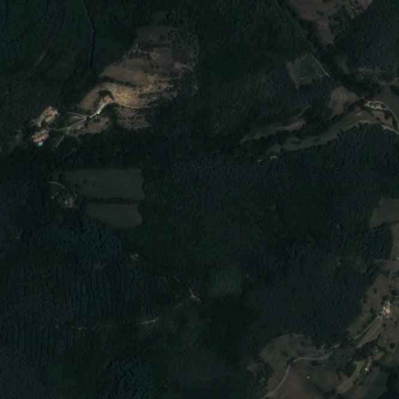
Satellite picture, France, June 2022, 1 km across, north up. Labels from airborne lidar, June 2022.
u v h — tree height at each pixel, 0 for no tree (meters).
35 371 12
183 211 15
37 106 17
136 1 22
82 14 25
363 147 11
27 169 15
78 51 20
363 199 14
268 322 21
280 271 16
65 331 13
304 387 0
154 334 9
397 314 0
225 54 17
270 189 16
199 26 15
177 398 23
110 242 28
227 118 11
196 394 17
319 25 0
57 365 13
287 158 20
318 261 17
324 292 19
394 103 0
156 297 9
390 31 15
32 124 9
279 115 15
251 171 23
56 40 19
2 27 19
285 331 16
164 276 13
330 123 19
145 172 13
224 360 18
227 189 22
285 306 17
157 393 24
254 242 19
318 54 17
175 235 16
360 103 14
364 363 0
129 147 19
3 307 19
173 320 7
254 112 12
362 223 7
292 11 26
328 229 16
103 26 8
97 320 13
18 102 15
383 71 16
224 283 7
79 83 17
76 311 15
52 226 30
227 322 17
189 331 6
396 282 0
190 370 18
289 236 18
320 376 0
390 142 15
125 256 15
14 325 16
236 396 16
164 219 23
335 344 17
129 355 18
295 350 0
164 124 14
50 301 19
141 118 8
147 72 8
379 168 18
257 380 14
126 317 12
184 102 17
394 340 0
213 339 14
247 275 15
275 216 19
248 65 14
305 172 17
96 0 20
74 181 0
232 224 16
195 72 9
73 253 28
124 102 0
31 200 18
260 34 8
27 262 20
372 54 11
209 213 21
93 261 30
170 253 18
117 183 0
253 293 17
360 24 14
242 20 12
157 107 10
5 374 17
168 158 25
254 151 13
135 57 6
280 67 16
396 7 9
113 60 20
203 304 12
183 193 19
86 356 17
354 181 12
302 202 12
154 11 18
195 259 22
